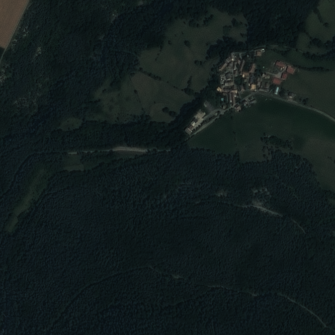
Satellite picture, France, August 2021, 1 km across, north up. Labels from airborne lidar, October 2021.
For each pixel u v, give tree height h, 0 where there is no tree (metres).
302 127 0
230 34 0
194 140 0
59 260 23
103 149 15
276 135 0
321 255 28
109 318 18
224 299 18
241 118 0
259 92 0
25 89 15
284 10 27
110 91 0
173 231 16
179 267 18
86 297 19
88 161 8
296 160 9
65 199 17
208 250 16
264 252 16
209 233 17
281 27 12
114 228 17
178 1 28
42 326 19
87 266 19
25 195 6
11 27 0
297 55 0
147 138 14
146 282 19
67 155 11
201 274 18
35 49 11
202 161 15
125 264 23
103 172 9
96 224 16
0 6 0
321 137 0
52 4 18
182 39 0
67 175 12
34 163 17
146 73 7
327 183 0
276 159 13
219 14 0
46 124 22
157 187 17
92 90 22
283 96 9
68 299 19
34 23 19
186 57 0
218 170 13
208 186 18
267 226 15
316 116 0
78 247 18
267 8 22
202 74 0
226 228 16
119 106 0
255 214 14
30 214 12
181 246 18
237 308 17
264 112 0
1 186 17
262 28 25
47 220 11
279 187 10
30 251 20
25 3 0
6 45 0
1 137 19
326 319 21
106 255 30
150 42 24
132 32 26
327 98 0
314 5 13
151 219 19
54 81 18
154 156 16
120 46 17
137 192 10
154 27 23
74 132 11
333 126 0
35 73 14
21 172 15
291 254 19
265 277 15
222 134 0
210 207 15
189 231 13
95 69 15
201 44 0
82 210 17
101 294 20
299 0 23
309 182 14
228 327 18
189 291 19
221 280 21
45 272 19
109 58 14
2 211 19
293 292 19
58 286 16
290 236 17
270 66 0
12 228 0
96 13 23
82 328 23
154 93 0
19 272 15
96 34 17
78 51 15
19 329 23
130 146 18
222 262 20
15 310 25
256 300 16
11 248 15
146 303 16
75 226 15
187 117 20
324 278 20
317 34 0
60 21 15
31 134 12
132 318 21
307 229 18
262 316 18
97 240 16
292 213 15
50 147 18
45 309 16
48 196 12
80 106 17
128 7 12
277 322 17
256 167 15
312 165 13
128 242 20
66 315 19
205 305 17
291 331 16
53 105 20
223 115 9
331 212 9
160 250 19
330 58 12
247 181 16
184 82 0
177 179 15
